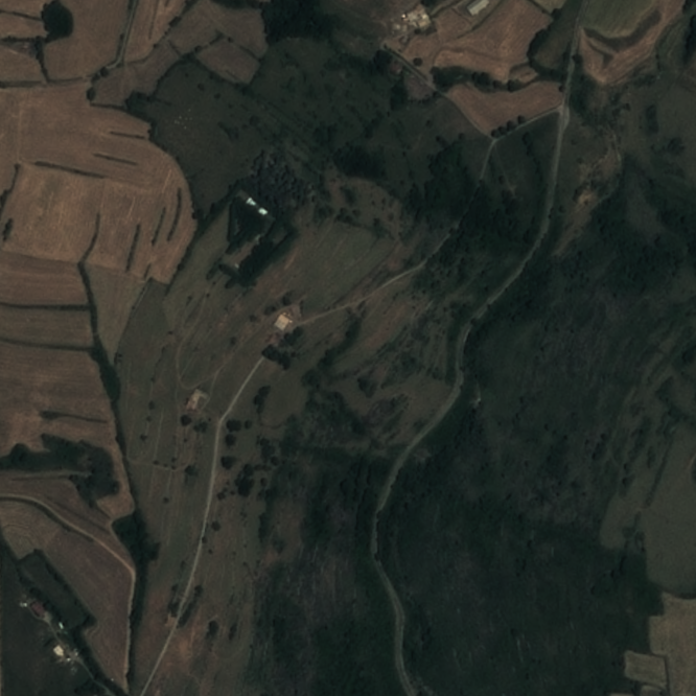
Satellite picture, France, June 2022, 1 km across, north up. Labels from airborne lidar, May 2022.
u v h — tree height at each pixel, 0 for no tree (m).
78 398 0
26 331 0
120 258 0
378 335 0
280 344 12
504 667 0
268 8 18
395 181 0
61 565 0
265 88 0
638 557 0
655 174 0
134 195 0
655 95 0
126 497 0
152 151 0
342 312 0
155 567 0
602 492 0
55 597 0
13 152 0
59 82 0
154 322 0
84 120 0
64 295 0
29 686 0
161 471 0
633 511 0
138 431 0
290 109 0
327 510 12
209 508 0
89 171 0
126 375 0
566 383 0
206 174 0
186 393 0
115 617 0
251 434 0
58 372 0
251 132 0
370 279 0
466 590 0
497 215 11
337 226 0
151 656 0
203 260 0
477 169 0
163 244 0
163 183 0
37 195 0
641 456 0
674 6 0
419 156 0
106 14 0
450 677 0
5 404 0
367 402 0
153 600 0
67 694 0
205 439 0
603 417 0
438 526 0
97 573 0
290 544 0
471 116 0
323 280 0
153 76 0
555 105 0
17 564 6
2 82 10
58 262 0
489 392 0
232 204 8
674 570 0
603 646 0
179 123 0
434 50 0
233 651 0
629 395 0
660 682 0
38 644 0
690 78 0
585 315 0
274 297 0
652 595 0
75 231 0
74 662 0
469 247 7
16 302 0
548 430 11
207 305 0
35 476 0
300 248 0
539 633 0
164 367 0
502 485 0
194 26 0
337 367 0
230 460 16
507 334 0
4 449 0
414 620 8
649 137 0
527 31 0
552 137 0
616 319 0
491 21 0
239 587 0
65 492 0
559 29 0
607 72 0
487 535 0
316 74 0
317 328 0
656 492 0
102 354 6
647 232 0
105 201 0
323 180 8
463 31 0
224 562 0
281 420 0
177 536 0
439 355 0
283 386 0
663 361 0
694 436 0
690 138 0
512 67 0
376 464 7
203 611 0
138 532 9
